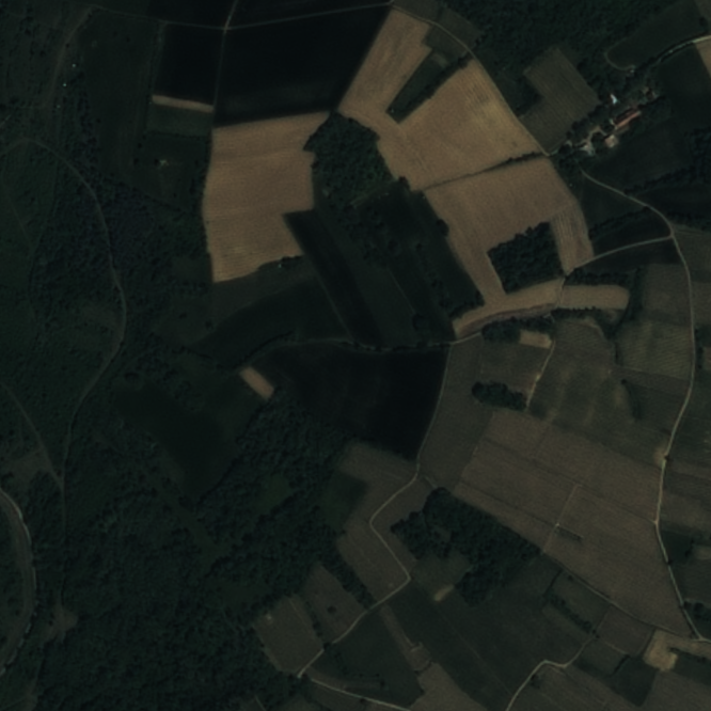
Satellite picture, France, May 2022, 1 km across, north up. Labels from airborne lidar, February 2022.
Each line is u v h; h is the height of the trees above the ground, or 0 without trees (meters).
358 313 0
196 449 0
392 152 0
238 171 0
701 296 0
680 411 0
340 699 0
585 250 0
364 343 0
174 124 0
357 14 0
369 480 0
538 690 0
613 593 0
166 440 0
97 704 7
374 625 0
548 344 0
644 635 0
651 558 0
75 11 0
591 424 0
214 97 0
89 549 14
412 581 0
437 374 0
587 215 0
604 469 0
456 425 0
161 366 13
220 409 0
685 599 0
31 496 8
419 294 0
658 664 0
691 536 0
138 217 15
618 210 0
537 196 0
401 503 0
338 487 0
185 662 21
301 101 0
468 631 0
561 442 0
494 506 0
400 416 0
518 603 0
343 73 0
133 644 17
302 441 10
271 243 0
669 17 0
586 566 0
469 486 0
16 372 6
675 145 0
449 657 0
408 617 0
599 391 0
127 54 0
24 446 0
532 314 0
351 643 0
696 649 0
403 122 0
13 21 0
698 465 0
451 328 0
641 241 0
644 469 0
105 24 0
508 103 0
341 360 0
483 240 0
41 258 10
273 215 0
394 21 0
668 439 0
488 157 0
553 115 0
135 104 0
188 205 0
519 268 12
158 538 19
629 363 0
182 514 0
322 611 0
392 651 0
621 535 0
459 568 0
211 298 0
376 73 0
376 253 11
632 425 0
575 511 0
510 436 0
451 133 0
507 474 0
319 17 0
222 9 0
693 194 0
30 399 6
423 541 10
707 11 0
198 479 0
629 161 0
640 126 16
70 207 7
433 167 0
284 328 0
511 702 0
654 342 0
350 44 0
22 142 0
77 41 0
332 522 0
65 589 13
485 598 9
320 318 0
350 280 0
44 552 9
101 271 11
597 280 8
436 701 0
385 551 0
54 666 16
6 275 0
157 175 0
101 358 7
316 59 0
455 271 0
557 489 0
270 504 0
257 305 0
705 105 0
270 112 0
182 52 0
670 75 0
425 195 0
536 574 0
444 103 0
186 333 0
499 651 0
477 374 0
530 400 0
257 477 16
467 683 0
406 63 0
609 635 0
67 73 0
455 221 0
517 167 0
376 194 0
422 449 0
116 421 14
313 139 10
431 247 0
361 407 0
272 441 12
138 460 14
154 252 7
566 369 0
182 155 0
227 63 0
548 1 16
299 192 0
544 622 0
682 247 0
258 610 12
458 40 0
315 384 0
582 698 0
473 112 0
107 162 0
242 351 0
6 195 0
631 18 8
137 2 0
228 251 0
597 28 14
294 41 0
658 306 0
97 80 0
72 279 6
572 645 0
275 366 0
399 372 0
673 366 0
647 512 0
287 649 0
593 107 0
